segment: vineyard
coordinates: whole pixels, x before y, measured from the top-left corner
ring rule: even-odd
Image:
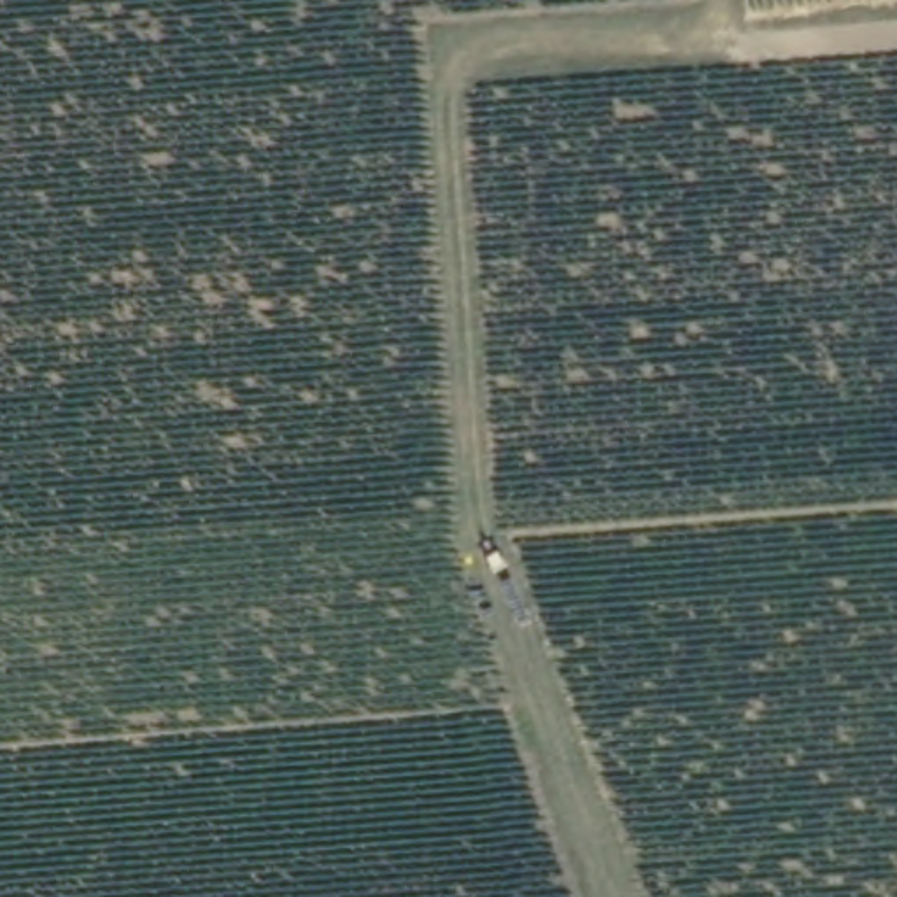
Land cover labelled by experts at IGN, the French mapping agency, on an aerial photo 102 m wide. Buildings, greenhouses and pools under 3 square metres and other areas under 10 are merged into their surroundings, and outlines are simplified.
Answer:
[[[603,778],[613,788],[613,799],[624,813],[624,827],[638,844],[638,872],[648,897],[897,897],[897,508],[865,515],[802,515],[722,526],[641,526],[617,533],[533,536],[522,543],[522,564],[529,571],[540,617],[547,624],[550,641],[564,655],[561,676],[575,694],[575,711],[585,722],[589,739],[596,739]]]
[[[760,7],[743,11],[746,21],[897,4],[897,0],[757,0]]]
[[[431,238],[427,193],[413,193],[413,175],[424,172],[424,102],[417,77],[413,11],[487,11],[522,7],[526,0],[0,0],[0,897],[568,897],[564,886],[554,886],[554,876],[561,869],[547,834],[536,827],[536,802],[526,785],[526,767],[515,753],[508,722],[501,715],[505,683],[491,659],[494,634],[480,631],[484,613],[477,613],[477,603],[466,596],[470,575],[463,571],[449,543],[449,438],[438,406],[438,284],[431,280],[424,259],[424,245]]]
[[[466,91],[473,140],[477,256],[480,277],[487,284],[484,354],[491,375],[515,375],[508,389],[491,389],[498,498],[494,522],[501,529],[512,529],[547,522],[694,515],[722,512],[722,494],[736,494],[736,508],[883,498],[897,501],[897,49],[792,56],[764,63],[732,60],[659,60],[652,67],[480,77]]]

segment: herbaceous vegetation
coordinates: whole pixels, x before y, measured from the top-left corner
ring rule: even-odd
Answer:
[[[522,543],[533,536],[617,533],[641,526],[722,526],[802,515],[865,515],[897,508],[897,501],[883,498],[736,508],[736,494],[722,494],[722,512],[694,515],[547,522],[512,529],[501,529],[494,522],[498,498],[491,389],[508,389],[515,375],[491,375],[484,354],[487,284],[480,277],[477,256],[473,140],[466,91],[480,77],[652,67],[659,60],[732,60],[739,53],[739,39],[753,32],[799,32],[862,21],[897,25],[897,4],[746,21],[743,11],[760,7],[757,0],[526,0],[522,7],[487,11],[413,11],[417,77],[424,102],[424,172],[413,175],[413,193],[427,193],[431,238],[424,245],[424,259],[431,280],[438,284],[438,406],[449,438],[449,543],[463,571],[470,575],[466,596],[477,603],[477,613],[484,613],[480,631],[494,634],[491,659],[505,683],[501,715],[508,722],[515,753],[526,767],[526,785],[536,802],[536,827],[547,834],[561,869],[554,876],[554,886],[564,886],[568,897],[648,897],[638,872],[638,844],[624,827],[624,813],[613,799],[613,788],[603,778],[596,739],[589,739],[585,722],[575,711],[575,694],[561,676],[564,655],[550,641],[547,624],[540,617],[529,571],[522,564]]]

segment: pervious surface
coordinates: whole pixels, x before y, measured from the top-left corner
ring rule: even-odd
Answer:
[[[753,32],[739,39],[739,53],[732,60],[764,63],[792,56],[897,49],[897,25],[862,21],[799,32]]]

